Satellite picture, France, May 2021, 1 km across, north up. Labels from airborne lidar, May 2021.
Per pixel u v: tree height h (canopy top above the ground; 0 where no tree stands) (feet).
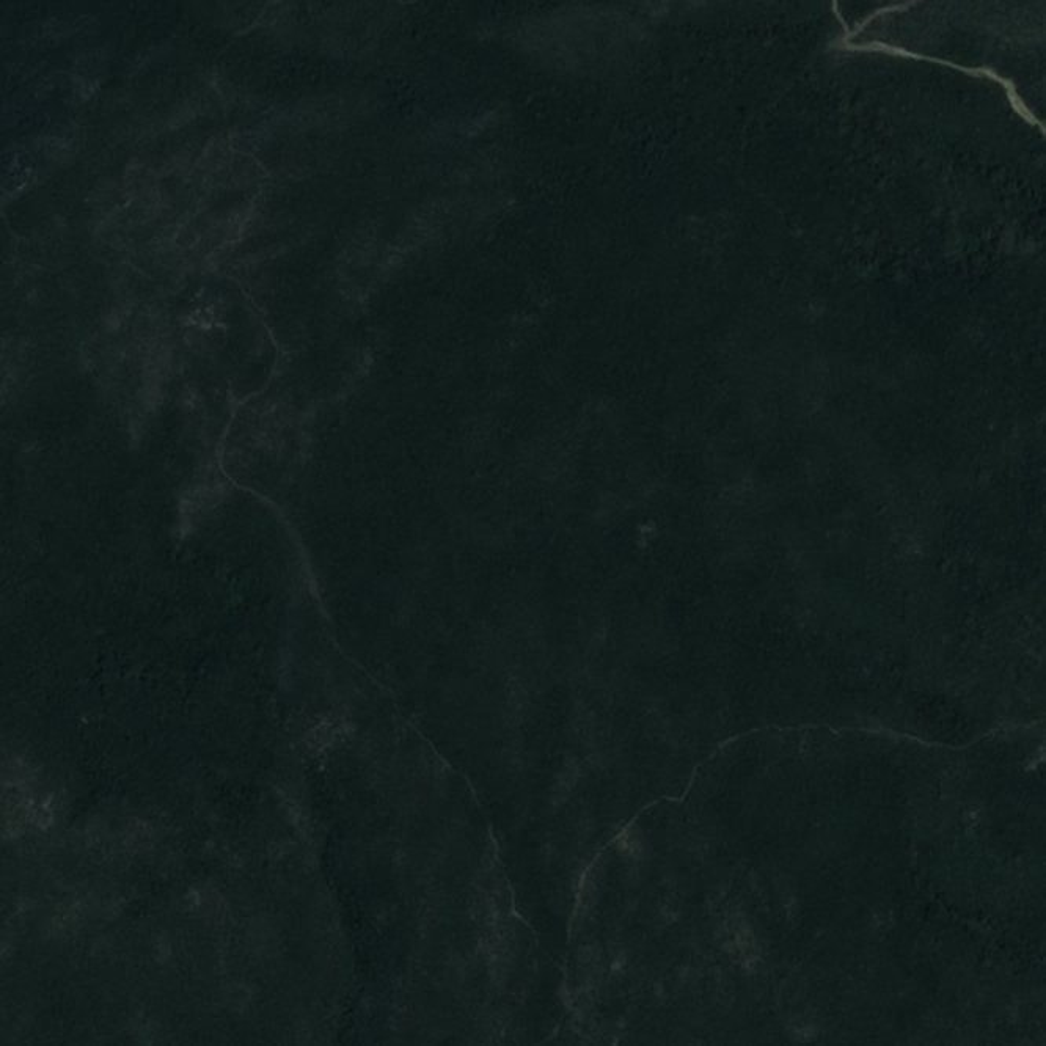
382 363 20
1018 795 20
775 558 23
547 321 19
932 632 18
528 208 27
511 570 27
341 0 19
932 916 38
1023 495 19
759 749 20
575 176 33
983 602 27
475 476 35
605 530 23
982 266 26
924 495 22
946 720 24
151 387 0
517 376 21
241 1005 0
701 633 18
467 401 18
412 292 18
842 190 17
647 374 19
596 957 0
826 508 19
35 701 22
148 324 0
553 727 24
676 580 19
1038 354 24
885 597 18
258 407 0
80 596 20
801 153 23
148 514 18
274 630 25
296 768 19
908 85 18
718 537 19
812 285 23
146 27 18
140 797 22
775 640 24
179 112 0
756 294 18
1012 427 29
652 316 18
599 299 18
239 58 19
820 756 19
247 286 0
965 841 18
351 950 19
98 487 23
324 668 0
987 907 21
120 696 17
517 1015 0
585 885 0
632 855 0
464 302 18
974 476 18
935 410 18
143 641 24
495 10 30
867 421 18
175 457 21
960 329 22
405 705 17
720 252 21
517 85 18
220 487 0
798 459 17
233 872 21
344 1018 27
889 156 20
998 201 27
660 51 21
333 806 32
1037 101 18
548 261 21
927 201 24
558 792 0
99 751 23
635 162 27
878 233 32
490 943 0
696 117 18
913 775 21
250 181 0
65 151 0
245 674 28
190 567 21
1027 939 21
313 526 20
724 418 26
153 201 0
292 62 22
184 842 22
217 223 0
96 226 0
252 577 18
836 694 19
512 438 19
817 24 20
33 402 18
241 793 41
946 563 42
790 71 21
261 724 26
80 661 17
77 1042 20
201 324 0
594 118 30
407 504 19
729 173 19
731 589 18
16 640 18
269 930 0
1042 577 38
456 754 20
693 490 20
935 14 0
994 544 24
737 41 20
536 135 24
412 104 45
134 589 17
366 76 20
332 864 44
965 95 37
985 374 24
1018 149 24
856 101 41
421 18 23
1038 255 32
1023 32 0
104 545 17
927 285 33
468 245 18
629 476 19
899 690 22
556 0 18
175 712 20
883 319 20
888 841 18
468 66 18
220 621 22
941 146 19
